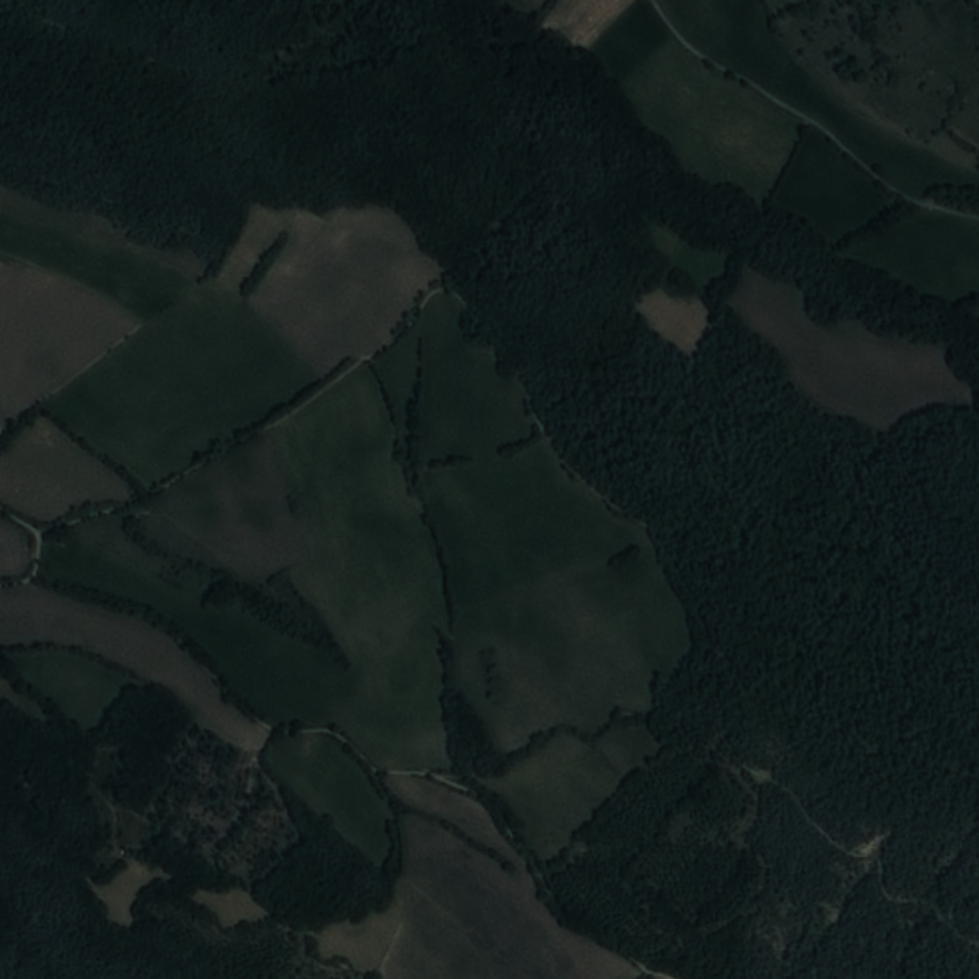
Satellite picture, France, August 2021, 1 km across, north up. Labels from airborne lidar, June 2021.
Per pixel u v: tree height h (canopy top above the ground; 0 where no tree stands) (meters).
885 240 0
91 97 18
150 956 16
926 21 0
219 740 15
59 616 0
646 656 0
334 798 0
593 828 15
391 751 0
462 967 0
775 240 15
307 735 0
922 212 7
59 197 12
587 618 0
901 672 15
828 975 11
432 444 0
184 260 0
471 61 21
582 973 0
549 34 16
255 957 12
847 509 28
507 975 0
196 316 0
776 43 0
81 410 0
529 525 0
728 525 11
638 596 0
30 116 13
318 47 6
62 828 17
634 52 0
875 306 18
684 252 0
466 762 11
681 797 8
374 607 0
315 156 24
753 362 20
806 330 0
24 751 19
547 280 23
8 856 16
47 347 0
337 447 0
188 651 11
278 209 8
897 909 9
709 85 0
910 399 0
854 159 10
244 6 22
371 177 23
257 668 0
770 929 7
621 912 10
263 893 16
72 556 0
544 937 0
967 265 0
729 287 19
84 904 18
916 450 12
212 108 11
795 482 23
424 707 0
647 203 18
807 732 17
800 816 7
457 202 28
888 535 29
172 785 19
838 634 20
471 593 0
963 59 0
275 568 0
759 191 0
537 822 0
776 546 26
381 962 0
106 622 0
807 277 17
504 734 0
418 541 0
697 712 19
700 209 18
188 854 16
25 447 0
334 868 20
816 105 0
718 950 13
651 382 24
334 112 29
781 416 19
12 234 0
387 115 27
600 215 16
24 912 13
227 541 0
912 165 0
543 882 9
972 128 0
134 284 0
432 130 28
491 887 0
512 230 21
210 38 18
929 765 12
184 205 15
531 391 9
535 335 20
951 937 14
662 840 8
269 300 0
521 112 21
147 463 0
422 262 0
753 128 0
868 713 18
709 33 0
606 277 15
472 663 0
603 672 0
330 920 15
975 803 10
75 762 16
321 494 0
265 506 0
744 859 10
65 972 16
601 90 21
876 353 0
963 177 0
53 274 0
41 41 14
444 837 0
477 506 0
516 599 0
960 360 20
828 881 15
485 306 17
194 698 0
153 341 0
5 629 0
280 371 0
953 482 19
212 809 7
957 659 14
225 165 12
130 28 18
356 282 0
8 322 0
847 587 21
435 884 0
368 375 0
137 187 17
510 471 0
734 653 17
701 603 15
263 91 18
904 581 24
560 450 13
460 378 0
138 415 0
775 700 12
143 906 9
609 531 0
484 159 27
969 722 14
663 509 13
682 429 15
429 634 0
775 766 9
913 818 10
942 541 24
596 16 0
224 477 0
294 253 0
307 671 0
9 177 14
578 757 0
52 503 0
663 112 0
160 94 16
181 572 6
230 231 12
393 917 0
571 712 0
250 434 10
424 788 0
